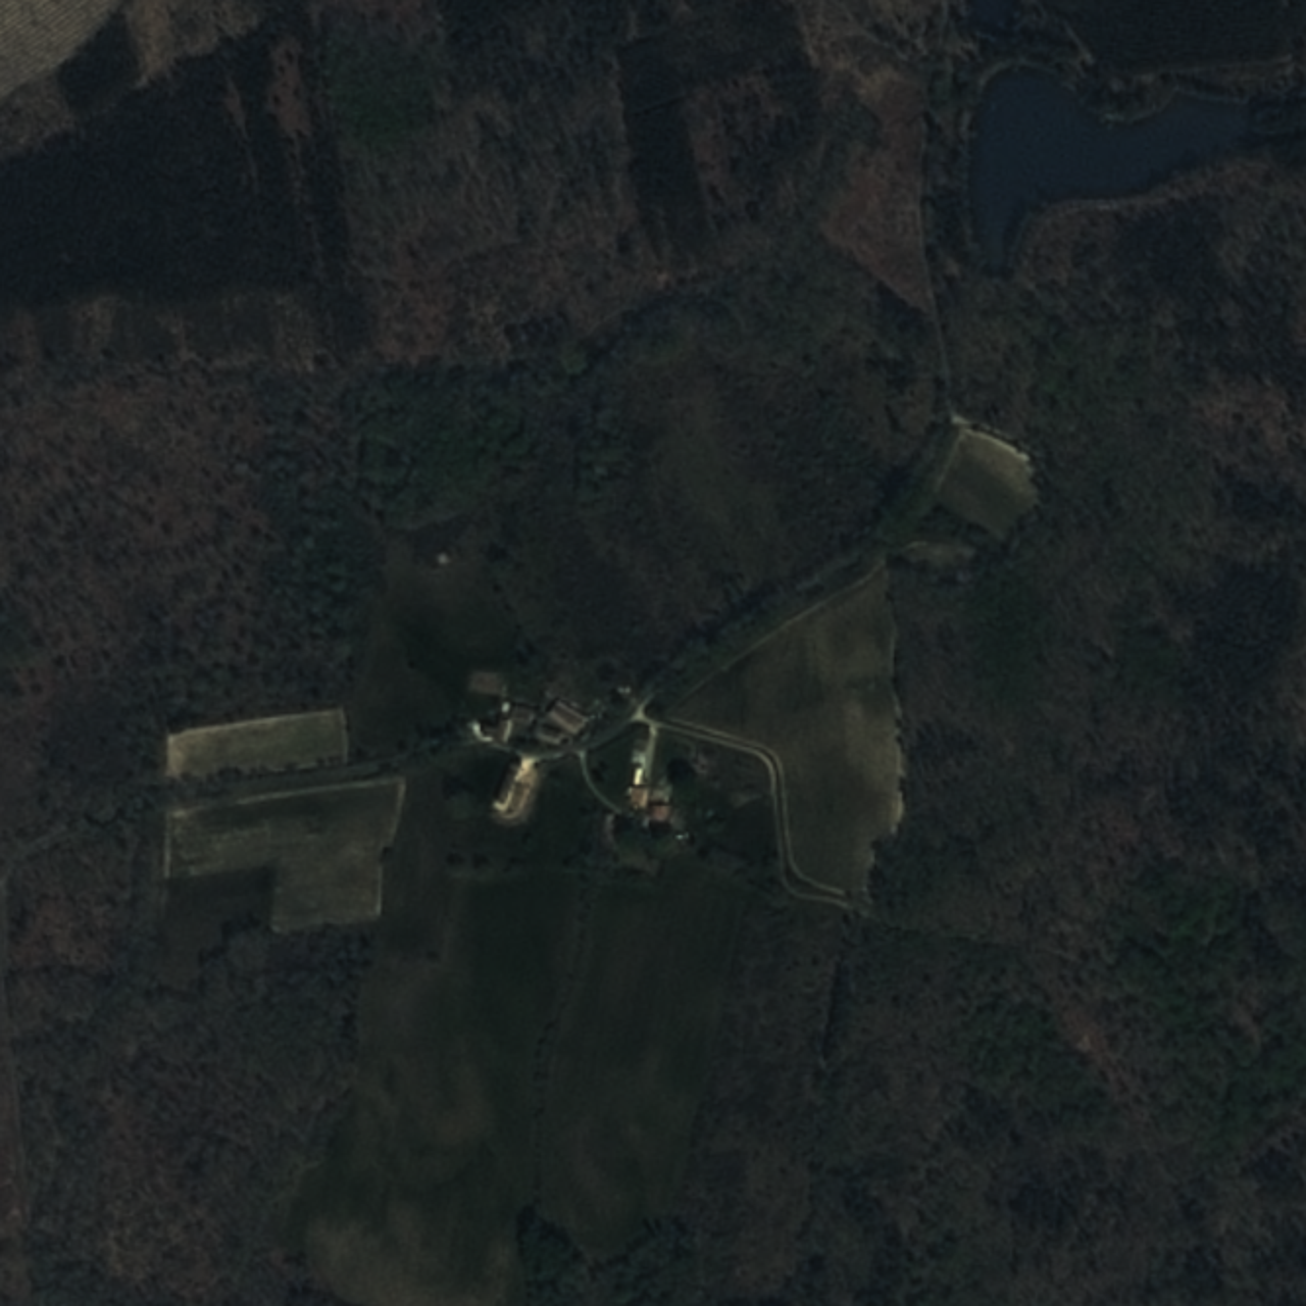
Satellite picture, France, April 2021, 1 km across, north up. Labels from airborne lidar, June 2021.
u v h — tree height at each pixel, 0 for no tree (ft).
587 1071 0
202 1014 41
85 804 45
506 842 0
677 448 0
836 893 0
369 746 0
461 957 0
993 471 0
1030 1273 34
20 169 29
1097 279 34
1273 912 45
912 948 21
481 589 0
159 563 50
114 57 23
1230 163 31
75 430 0
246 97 28
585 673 0
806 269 65
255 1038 55
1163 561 54
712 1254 25
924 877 36
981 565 37
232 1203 47
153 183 29
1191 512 43
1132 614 33
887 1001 17
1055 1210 44
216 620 36
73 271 30
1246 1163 47
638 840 63
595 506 34
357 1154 0
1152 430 43
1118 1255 32
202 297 21
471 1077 0
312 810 0
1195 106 0
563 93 53
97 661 44
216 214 20
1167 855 45
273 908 0
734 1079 0
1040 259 47
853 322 49
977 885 44
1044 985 20
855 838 0
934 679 37
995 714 43
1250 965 21
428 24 50
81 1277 66
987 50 41
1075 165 0
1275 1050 55
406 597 0
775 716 0
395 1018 0
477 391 53
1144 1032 51
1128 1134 42
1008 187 0
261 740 0
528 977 0
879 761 0
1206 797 45
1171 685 37
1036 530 45
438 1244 0
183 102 27
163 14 0
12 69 0
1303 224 28
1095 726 38
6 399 37
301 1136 42
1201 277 38
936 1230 52
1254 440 36
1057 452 35
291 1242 0
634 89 36
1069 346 94
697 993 0
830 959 19
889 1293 55
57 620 42
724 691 0
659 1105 0
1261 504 42
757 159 65
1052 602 47
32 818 0
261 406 46
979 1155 38
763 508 0
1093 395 58
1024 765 52
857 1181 43
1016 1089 37
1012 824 44
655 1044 0
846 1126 60
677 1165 0
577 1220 0
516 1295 0
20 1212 0
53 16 0
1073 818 32
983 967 23
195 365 33
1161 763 20
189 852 0
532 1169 0
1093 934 32
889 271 0
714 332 73
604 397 49
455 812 53
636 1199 0
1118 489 41
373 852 0
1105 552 37
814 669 0
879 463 26
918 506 61
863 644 0
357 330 25
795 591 34
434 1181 0
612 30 45
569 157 51
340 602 40
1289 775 37
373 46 51
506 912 0
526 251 34
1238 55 33
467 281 30
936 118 25
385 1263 0
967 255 50
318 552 19
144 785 24
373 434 61
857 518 20
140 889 53
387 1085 0
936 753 34
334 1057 44
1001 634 45
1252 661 58
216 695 40
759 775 0
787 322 59
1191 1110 63
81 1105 28
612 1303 51
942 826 52
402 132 52
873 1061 23
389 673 0
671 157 37
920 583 52
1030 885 20
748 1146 0
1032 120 0
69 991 51
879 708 0
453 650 0
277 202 20
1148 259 40
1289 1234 39
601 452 64
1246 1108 71
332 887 0
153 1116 54
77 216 28
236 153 22
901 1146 21
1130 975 59
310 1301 39
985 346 56
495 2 58
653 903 0
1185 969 24
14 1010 53
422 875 0
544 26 39
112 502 51
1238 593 45
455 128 51
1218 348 39
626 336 28
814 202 58
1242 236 33
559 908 0
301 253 25
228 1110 18
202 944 0
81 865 36
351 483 52
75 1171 48
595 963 0
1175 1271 60
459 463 63
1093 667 35
